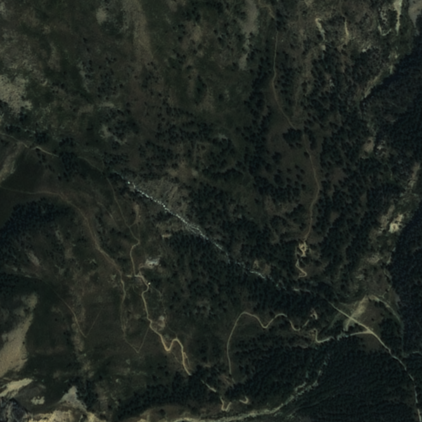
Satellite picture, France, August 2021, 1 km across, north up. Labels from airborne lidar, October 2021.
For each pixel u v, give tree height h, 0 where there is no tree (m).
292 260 20
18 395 0
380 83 0
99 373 0
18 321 0
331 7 0
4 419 0
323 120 19
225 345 0
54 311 0
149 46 0
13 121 0
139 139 0
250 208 0
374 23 0
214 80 0
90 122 0
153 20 0
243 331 0
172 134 16
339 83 9
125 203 0
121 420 19
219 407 0
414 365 15
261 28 0
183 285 0
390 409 13
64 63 0
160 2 0
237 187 0
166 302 0
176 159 7
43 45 0
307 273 0
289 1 0
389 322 16
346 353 13
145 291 0
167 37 0
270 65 12
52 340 0
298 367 12
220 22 0
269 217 0
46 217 0
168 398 12
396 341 11
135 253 0
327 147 17
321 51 0
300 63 0
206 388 11
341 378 17
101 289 0
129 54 0
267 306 18
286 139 20
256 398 13
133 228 0
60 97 0
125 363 0
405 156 14
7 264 6
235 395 21
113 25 0
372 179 17
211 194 15
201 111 0
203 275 19
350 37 0
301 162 0
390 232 0
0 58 0
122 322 0
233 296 17
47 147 0
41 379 0
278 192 19
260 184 20
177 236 11
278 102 0
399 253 12
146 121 0
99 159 0
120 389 0
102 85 8
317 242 0
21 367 0
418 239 10
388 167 10
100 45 0
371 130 16
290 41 0
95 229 0
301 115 0
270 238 8
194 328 0
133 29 0
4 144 8
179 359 0
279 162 13
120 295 0
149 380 0
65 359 0
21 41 0
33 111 0
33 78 0
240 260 7
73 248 0
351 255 14
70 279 0
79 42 0
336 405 9
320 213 14
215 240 7
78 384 13
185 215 0
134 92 0
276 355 17
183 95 0
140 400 14
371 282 0
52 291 0
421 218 14
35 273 0
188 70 10
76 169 9
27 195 0
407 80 12
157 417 0
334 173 0
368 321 0
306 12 8
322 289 23
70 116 0
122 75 0
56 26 0
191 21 11
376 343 0
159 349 0
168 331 0
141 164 0
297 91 0
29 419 0
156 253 0
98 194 0
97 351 0
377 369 13
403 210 0
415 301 16
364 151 0
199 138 16
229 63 0
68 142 14
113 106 0
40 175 0
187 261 0
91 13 0
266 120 18
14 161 0
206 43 0
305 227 15
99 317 0
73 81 0
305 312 7
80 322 0
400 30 7
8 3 0
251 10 0
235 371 0
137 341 0
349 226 10
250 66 0
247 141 15
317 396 9
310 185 0
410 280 10
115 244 0
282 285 18
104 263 0
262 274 0
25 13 0
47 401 0
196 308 9
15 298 0
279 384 10
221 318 0
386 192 12
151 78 13
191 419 0
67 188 0
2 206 0
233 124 0
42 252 0
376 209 14
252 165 20
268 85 0
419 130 12
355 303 0
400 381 9
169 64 0
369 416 12
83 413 0
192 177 0
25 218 7
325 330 8
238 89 0
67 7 0
